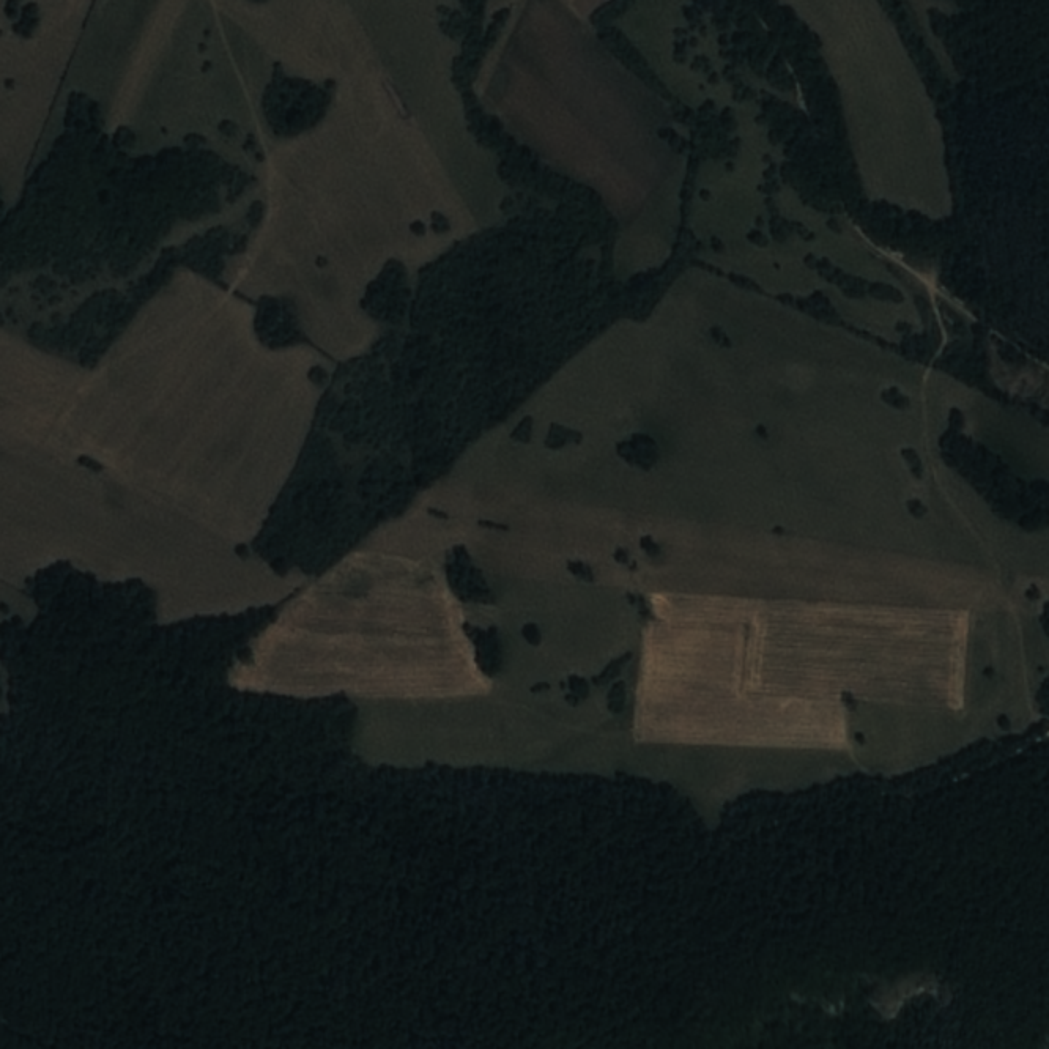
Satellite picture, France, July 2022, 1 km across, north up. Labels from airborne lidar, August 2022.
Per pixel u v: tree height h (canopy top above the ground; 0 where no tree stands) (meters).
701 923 13
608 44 7
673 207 0
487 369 10
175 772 15
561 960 19
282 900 18
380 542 0
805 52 12
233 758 14
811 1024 20
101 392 0
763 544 0
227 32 0
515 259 7
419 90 0
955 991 8
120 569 0
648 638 0
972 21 11
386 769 11
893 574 0
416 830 9
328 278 0
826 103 15
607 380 0
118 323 7
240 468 0
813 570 0
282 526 6
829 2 0
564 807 18
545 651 0
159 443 0
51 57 0
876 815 17
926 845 16
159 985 18
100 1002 18
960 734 0
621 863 15
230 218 0
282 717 14
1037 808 13
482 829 21
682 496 0
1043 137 19
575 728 0
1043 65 14
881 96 0
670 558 0
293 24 0
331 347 0
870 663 0
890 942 13
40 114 0
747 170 0
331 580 0
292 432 0
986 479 18
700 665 0
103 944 19
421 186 0
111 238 7
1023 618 0
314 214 0
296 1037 16
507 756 0
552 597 0
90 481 0
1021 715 0
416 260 0
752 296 0
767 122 6
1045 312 14
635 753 0
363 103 0
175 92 0
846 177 14
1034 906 11
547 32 0
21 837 17
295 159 0
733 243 0
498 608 0
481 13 12
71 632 21
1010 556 0
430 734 0
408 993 15
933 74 12
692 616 0
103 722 8
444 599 0
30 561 0
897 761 0
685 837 22
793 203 0
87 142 8
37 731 12
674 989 22
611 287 10
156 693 13
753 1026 15
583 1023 13
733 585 0
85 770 11
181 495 0
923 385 0
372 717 0
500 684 0
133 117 0
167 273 8
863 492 0
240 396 0
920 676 0
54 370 0
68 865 22
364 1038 12
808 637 0
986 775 10
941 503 0
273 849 7
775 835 8
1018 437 0
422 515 0
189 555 0
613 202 0
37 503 0
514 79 0
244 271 0
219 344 0
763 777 0
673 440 0
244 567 0
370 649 0
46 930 15
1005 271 16
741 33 10
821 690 0
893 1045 23
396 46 0
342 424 8
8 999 18
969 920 15
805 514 0
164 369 0
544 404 0
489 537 0
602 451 0
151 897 9
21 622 11
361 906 20
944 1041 7
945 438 8
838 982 11
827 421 0
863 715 0
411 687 0
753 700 0
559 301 5
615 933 14
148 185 12
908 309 0
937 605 0
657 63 0
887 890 17
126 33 0
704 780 0
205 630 19
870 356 0
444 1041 15
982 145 19
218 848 16
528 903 23
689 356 0
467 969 17
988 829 14
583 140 0
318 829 14
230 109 0
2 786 15
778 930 17
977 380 10
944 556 0
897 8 13
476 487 0
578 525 0
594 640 0
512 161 10
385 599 0
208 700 20
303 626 0
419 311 6
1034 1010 12
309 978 17
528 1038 13
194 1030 20
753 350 0
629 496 0
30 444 0
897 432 0
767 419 0
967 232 13
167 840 14
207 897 17
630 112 0
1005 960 10
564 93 0
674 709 0
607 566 0
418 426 8
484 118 10
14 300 0
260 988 14
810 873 15
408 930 12
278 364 0
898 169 0
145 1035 9
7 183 0
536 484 0
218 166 6
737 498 0
